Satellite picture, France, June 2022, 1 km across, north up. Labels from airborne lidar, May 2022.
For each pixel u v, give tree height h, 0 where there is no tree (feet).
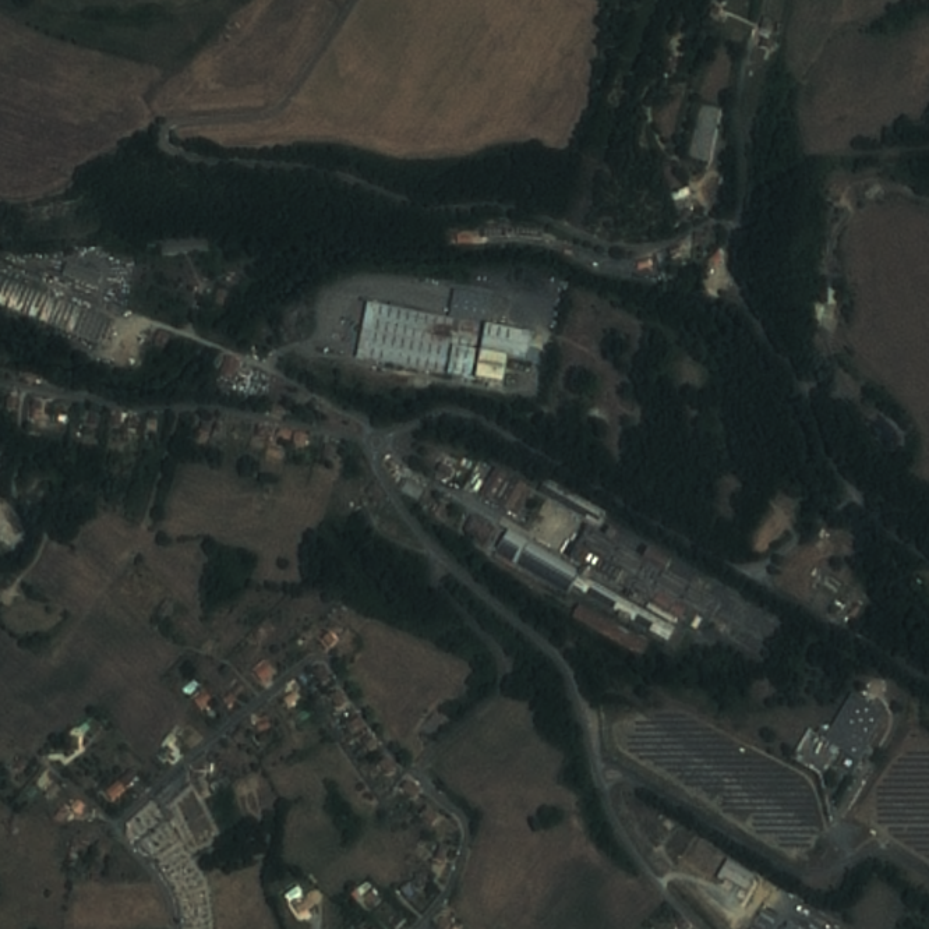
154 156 33
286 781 0
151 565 0
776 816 0
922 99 0
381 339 0
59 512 29
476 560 59
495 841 0
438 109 0
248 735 27
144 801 0
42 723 0
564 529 0
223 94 0
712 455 73
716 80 0
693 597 0
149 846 0
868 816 0
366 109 0
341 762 0
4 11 0
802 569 0
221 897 0
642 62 62
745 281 53
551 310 0
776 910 0
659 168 22
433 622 36
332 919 0
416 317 0
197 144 48
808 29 0
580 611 0
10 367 23
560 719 31
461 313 0
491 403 73
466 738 0
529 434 60
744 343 94
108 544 0
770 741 61
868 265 0
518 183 57
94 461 45
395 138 0
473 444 62
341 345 0
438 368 0
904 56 0
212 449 38
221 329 58
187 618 0
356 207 45
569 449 64
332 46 0
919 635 79
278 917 20
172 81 0
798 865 0
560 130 0
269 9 0
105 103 0
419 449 24
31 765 19
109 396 56
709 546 92
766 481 74
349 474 24
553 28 0
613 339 26
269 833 33
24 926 0
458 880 0
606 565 0
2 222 21
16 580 0
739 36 0
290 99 0
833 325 0
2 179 0
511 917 0
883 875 28
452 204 63
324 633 19
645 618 0
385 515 0
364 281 0
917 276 0
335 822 20
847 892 29
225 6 0
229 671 37
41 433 0
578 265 18
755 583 40
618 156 44
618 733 0
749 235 57
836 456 76
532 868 0
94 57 0
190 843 0
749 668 35
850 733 0
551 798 0
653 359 76
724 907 0
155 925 0
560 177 44
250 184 44
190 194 30
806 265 40
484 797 0
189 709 0
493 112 0
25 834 0
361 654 0
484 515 0
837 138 0
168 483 19
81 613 0
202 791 0
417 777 0
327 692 34
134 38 0
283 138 0
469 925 0
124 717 0
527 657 33
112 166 24
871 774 0
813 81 0
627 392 71
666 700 0
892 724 0
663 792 0
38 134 0
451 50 0
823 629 55
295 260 31
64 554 0
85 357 39
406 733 0
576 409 31
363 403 54
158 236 30
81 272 0
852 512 68
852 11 0
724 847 33
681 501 53
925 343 0
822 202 40
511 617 0
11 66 0
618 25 47
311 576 38
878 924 0
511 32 0
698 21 52
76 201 39
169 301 23
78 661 0
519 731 0
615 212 27
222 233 44
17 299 0
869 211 0
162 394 42
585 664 28
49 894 24
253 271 67
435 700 0
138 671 0
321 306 0
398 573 58
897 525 57
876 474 52
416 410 85
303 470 0
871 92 0
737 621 0
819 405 63
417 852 0
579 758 26
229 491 0
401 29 0
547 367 57
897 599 73
